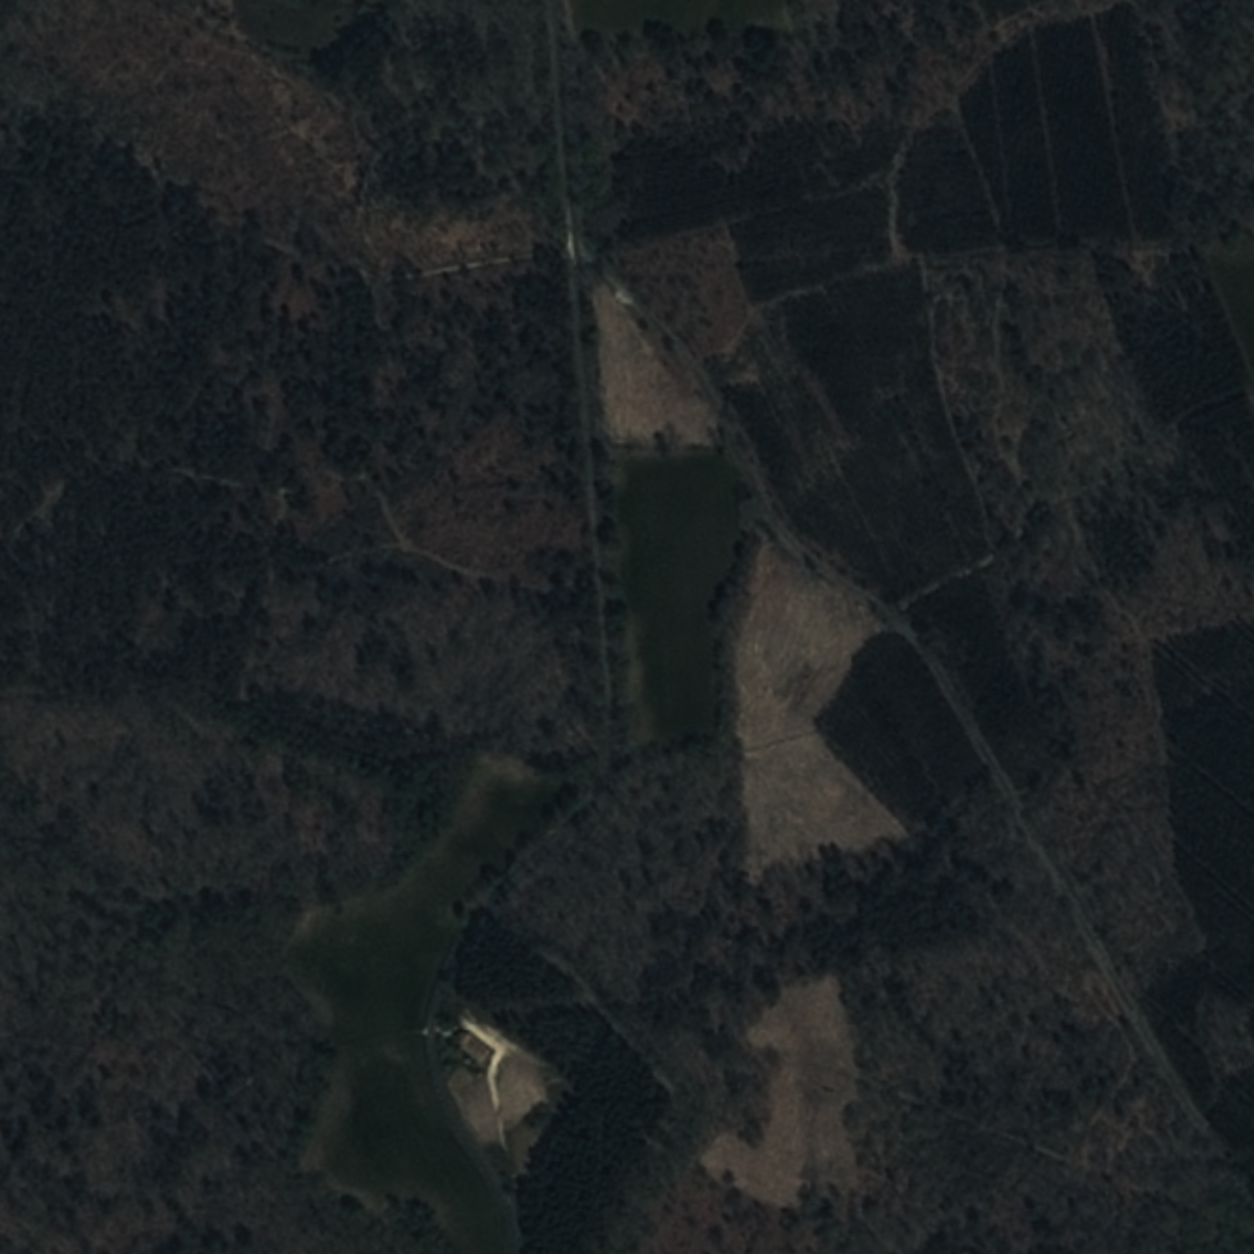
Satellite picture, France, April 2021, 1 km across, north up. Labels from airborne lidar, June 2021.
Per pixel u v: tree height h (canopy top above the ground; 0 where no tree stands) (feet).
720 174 35
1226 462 48
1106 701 23
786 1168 0
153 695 39
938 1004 32
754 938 59
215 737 42
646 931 43
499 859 0
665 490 0
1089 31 31
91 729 47
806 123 36
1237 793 28
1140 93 19
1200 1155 52
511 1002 48
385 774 68
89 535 61
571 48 40
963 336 22
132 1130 23
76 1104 33
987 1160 22
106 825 43
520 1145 0
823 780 0
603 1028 49
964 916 61
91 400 64
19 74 44
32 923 64
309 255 73
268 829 42
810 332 30
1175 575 19
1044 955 26
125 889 81
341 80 85
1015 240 23
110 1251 28
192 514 67
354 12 19
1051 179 28
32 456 66
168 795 28
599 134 55
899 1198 18
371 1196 0
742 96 50
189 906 52
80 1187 44
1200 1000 39
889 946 17
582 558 24
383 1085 0
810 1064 0
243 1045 21
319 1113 42
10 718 39
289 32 0
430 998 0
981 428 32
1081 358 25
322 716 63
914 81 69
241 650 68
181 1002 54
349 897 62
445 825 71
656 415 0
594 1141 66
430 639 36
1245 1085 34
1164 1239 75
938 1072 39
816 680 0
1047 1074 27
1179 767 24
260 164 24
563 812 56
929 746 22
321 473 35
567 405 41
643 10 0
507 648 46
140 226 75
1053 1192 35
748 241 21
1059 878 35
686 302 27
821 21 47
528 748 49
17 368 54
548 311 45
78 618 60
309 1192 52
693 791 41
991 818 24
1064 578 35
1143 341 43
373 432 56
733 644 42
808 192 31
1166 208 20
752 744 0
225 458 61
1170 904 22
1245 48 57
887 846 26
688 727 0
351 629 27
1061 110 32
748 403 25
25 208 69
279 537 32
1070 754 54
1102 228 28
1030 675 31
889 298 18
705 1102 61
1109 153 28
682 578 0
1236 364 49
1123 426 52
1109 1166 43
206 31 34
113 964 56
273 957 73
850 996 49
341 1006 0
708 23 0
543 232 38
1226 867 37
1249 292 0
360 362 67
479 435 24
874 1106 46
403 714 29
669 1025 68
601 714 50
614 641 58
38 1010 51
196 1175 43
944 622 27
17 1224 67
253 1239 57
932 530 22
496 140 62
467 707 36
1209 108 40
